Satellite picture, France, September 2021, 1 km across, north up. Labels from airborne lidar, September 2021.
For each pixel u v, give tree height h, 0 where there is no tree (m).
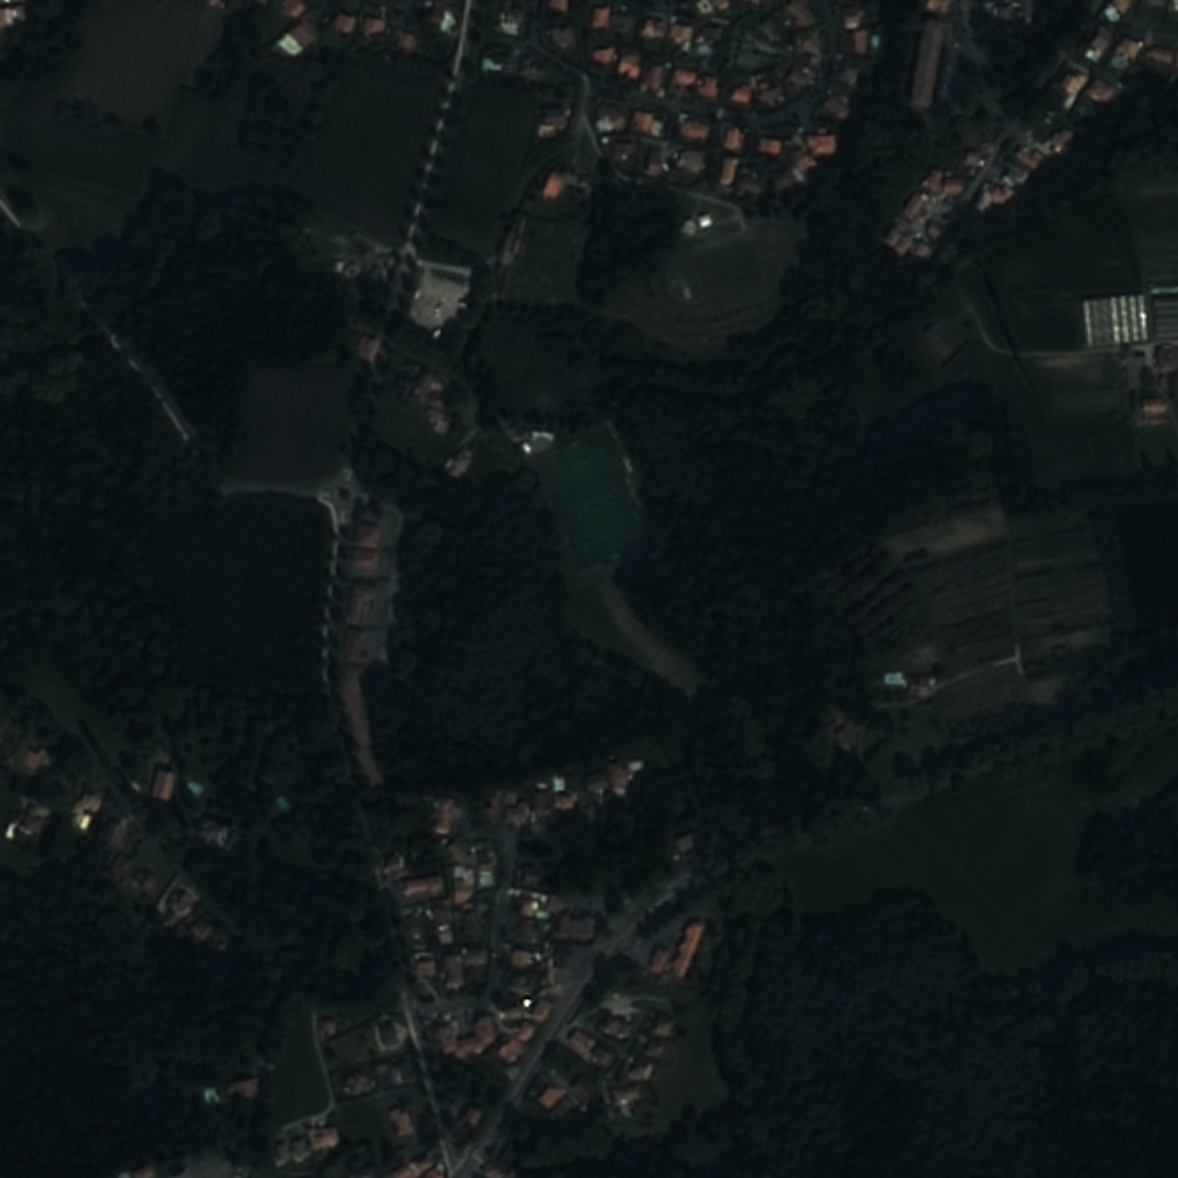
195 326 24
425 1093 12
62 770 19
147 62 0
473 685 23
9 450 16
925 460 23
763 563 18
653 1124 6
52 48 13
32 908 29
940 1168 24
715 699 16
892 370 16
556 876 7
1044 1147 27
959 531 0
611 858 8
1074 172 22
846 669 19
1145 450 0
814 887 0
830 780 22
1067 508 11
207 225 29
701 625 11
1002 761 29
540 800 0
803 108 0
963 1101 32
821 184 21
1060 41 27
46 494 30
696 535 19
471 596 26
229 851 13
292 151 17
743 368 13
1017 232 17
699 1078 0
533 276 0
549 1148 27
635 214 19
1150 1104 25
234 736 18
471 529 23
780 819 18
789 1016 27
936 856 0
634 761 0
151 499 28
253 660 12
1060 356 0
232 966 25
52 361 23
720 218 0
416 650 20
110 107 0
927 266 19
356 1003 28
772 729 7
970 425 28
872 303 25
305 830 17
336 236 0
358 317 14
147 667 28
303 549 11
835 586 6
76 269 24
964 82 14
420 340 20
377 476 21
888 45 13
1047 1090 27
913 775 26
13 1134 20
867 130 28
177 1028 31
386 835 12
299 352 26
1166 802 12
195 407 22
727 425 19
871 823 25
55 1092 22
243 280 24
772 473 21
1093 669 15
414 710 25
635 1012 0
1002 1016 28
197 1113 15
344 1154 9
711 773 18
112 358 23
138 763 13
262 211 17
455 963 0
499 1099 14
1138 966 33
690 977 7
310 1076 0
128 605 24
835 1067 23
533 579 24
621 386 16
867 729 12
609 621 0
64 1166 22
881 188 28
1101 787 10
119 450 26
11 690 14
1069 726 29
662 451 23
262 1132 10
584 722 15
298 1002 21
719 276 0
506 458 21
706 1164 0
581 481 0
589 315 6
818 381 18
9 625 30
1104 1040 23
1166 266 0
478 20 13
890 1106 23
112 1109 23
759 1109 28
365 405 10
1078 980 28
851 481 20
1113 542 17
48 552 32
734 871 27
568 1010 0
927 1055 29
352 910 29
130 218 0
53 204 0
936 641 0
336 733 22
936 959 29
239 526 12
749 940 25
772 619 18
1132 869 19
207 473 26
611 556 0
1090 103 0
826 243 21
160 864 0
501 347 0
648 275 7
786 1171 29
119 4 0
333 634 0
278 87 17
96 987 28
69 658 23
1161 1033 26
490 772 24
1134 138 28
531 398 0
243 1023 28
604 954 0
